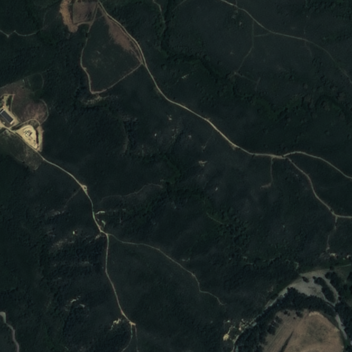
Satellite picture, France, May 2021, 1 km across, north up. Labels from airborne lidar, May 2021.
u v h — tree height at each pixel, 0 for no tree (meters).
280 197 7
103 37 0
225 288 10
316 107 13
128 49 0
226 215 15
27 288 9
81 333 6
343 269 0
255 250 7
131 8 6
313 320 0
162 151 7
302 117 5
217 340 12
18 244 10
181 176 9
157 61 6
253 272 12
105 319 0
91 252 11
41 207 9
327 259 8
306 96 11
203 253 6
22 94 0
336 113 6
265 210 8
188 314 9
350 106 13
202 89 8
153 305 6
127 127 17
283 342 0
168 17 12
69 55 14
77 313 10
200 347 8
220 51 0
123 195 7
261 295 6
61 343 7
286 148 13
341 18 11
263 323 29
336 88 14
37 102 0
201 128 0
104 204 6
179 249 5
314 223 6
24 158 0
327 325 0
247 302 7
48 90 5
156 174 5
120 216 11
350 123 16
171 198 12
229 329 7
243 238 12
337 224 11
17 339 8
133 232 6
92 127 8
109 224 6
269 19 0
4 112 0
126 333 7
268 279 10
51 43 8
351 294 6
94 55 0
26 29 5
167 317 9
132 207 6
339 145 6
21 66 9
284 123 6
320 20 0
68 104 24
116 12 6
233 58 0
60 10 0
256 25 0
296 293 28
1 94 0
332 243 7
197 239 5
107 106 15
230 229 12
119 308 0
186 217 8
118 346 6
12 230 14
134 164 6
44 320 6
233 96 6
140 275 6
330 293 25
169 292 9
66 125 5
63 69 8
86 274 7
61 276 10
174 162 15
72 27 0
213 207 6
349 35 6
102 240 11
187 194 14
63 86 6
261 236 6
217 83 15
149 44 6
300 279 0
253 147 6
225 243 8
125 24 12
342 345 0
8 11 8
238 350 0
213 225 6
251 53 0
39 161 0
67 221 8
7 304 6
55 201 6
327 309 28
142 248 0
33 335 5
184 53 11
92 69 0
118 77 0
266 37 0
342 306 23
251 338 28
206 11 0
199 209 5
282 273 11
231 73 10
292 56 0
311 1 10
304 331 0
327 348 0
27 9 13
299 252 10
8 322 11
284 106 7
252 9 0
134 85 0
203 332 18
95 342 9
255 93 6
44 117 0
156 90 0
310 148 9
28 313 13
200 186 6
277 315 0
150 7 6
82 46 9
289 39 0
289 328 0
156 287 8
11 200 8
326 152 6
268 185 0
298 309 28
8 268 8
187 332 9
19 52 9
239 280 12
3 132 0
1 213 12
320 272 0
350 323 18
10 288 6
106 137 14
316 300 35
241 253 19
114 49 0
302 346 0
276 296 12
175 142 6
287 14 6
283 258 13
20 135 0
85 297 7
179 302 9
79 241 9
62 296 7
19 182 8
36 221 15
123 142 6
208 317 5
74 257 6
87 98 7
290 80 8
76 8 0
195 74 5
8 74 8
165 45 11
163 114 0
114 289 0
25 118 0
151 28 5
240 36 0
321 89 12
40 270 12
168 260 0
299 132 5
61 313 7
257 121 5
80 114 10
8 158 6
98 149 6
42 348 6
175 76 9
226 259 11
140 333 0
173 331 7
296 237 13
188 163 6
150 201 6
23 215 15
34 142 0
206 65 15
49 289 8
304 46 0
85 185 0
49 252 10
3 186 6
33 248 19
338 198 6
